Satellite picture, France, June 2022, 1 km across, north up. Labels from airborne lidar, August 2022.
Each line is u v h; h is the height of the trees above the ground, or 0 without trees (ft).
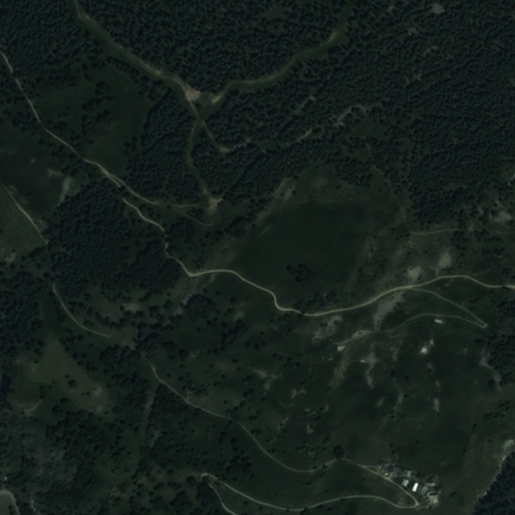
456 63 51
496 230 0
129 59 0
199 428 0
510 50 81
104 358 73
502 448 0
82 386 0
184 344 0
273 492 0
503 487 73
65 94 0
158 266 61
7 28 95
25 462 52
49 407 0
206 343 0
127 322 82
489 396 0
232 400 0
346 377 0
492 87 68
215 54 71
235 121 72
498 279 0
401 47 63
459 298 0
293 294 0
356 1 0
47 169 0
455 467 0
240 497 0
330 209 0
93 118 74
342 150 50
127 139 0
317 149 87
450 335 0
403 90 87
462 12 68
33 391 0
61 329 0
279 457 0
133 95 0
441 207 65
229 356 0
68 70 56
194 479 53
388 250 0
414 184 39
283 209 0
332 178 0
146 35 91
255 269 0
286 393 0
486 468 0
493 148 57
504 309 34
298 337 0
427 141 69
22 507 46
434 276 0
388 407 0
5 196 0
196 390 39
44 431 0
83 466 49
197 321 78
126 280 69
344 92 77
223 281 0
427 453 0
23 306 68
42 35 71
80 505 39
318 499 0
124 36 62
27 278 59
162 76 0
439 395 0
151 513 52
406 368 0
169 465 51
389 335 0
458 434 0
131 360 102
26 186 0
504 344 37
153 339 76
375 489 0
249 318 0
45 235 63
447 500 0
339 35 0
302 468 0
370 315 0
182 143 79
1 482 27
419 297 0
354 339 0
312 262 0
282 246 0
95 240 84
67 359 0
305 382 26
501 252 33
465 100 61
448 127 57
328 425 0
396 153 57
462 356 0
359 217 0
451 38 81
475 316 0
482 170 67
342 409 0
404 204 0
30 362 0
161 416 38
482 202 45
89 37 89
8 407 28
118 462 42
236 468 72
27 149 0
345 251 0
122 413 37
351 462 0
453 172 69
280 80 0
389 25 77
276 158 91
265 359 0
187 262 0
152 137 83
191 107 0
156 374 0
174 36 56
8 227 0
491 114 20
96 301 0
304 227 0
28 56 88
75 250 64
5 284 58
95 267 68
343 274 0
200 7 80
